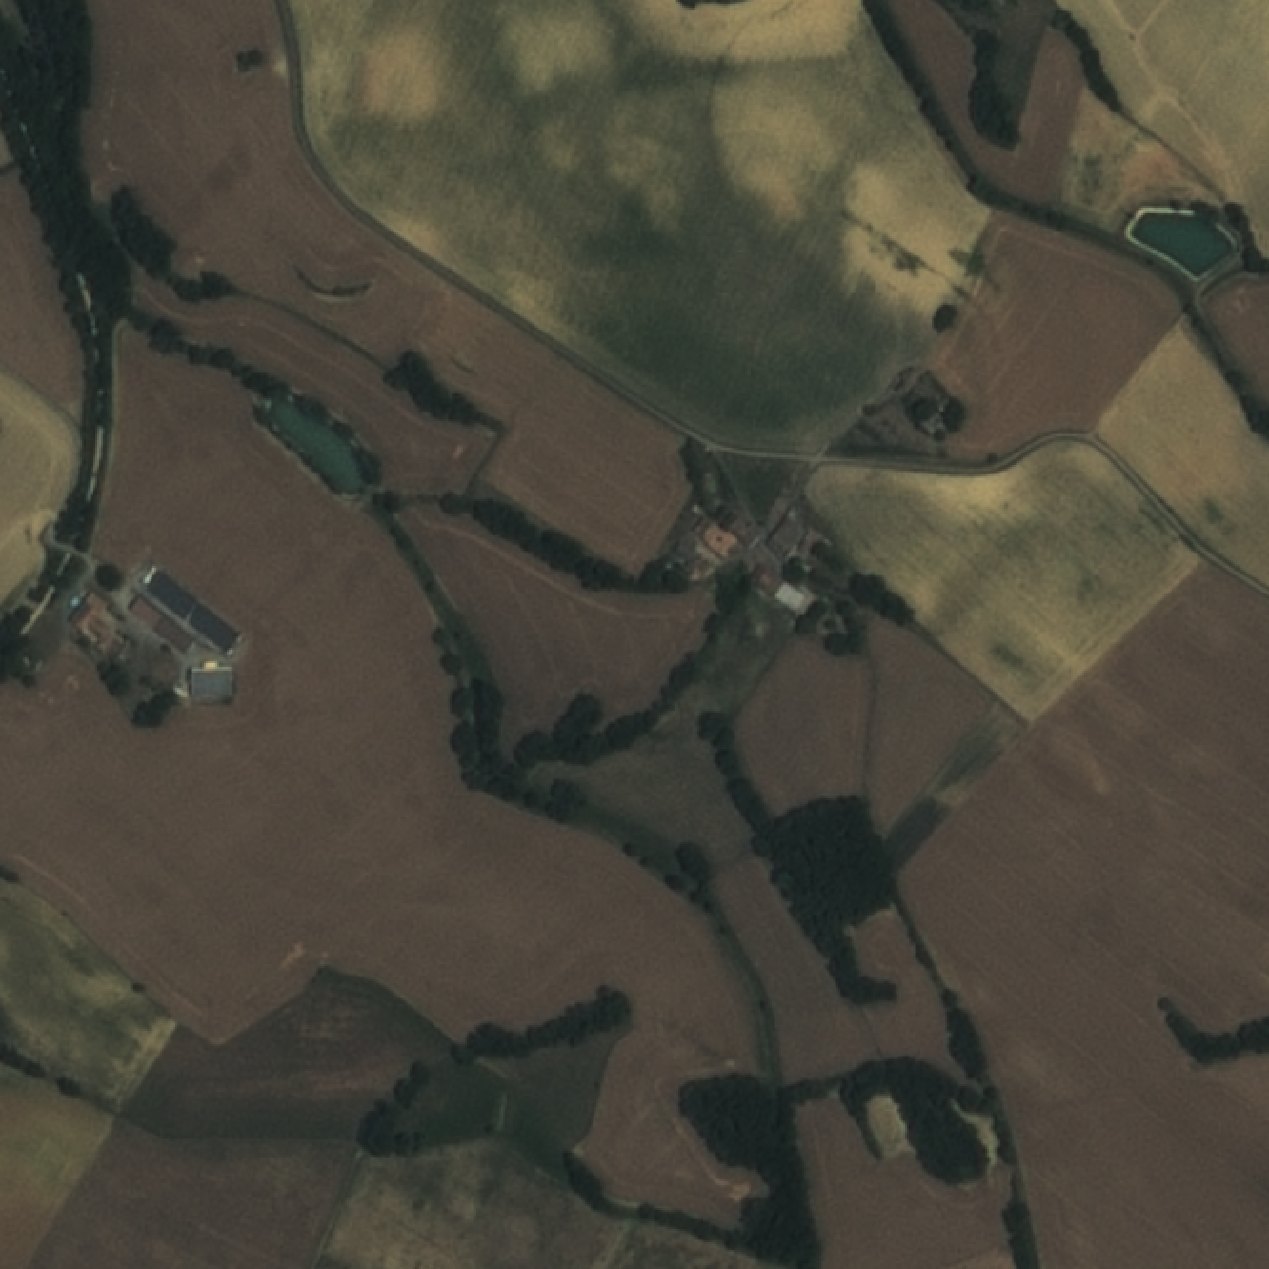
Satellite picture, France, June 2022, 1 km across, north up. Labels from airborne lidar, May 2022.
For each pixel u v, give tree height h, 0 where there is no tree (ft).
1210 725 0
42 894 0
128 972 0
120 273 67
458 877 0
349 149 0
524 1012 0
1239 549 0
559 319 0
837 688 0
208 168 0
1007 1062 0
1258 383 0
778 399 0
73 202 47
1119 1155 0
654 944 0
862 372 0
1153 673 0
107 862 0
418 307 0
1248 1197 0
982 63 50
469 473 0
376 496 23
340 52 0
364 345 0
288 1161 0
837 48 0
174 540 0
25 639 40
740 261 0
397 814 0
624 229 0
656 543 0
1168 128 0
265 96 0
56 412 0
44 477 0
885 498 0
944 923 0
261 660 0
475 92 0
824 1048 0
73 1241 0
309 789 0
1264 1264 0
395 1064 0
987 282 0
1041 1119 0
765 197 0
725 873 0
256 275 0
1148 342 0
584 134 0
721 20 0
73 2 38
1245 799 0
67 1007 0
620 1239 0
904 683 0
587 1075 0
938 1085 52
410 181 0
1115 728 0
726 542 0
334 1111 0
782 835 59
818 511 0
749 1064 0
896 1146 0
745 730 0
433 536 0
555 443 0
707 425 0
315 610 0
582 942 0
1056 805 0
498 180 0
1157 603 0
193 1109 0
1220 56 0
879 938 0
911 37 0
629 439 0
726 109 0
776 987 0
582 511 0
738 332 0
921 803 0
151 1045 0
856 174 0
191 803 0
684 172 0
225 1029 0
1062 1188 0
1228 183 0
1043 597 0
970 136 0
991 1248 0
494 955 0
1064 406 0
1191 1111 0
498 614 0
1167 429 0
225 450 0
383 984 0
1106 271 0
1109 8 0
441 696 0
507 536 61
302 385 0
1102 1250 0
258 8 0
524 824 0
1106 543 0
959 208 0
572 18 0
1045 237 0
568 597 0
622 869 0
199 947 0
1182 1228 0
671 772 0
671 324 0
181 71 0
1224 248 0
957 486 0
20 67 46
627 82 0
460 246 0
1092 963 0
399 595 0
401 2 0
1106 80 38
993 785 0
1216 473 0
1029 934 0
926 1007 0
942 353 0
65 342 0
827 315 0
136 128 0
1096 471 0
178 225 0
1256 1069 0
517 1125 0
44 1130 0
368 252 0
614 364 0
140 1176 0
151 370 0
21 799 0
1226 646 0
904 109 0
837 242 0
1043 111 0
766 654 0
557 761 36
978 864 0
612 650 0
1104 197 0
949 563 0
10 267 0
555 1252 0
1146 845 0
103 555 0
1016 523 0
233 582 0
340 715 0
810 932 43
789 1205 57
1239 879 0
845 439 0
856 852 53
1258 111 0
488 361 0
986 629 0
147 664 0
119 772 0
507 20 0
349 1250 0
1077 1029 0
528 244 0
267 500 0
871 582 48
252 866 0
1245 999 0
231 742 0
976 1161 33
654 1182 0
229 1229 0
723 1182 0
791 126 0
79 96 62
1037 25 0
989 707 0
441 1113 0
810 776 0
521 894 0
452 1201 0
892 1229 0
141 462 0
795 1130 46
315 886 0
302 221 0
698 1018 0
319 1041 0
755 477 0
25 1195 0
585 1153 0
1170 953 0
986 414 0
